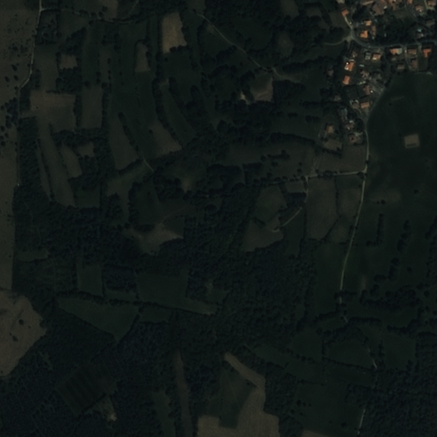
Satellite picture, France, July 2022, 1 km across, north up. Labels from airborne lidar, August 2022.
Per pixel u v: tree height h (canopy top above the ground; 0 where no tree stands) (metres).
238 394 0
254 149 0
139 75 0
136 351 19
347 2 14
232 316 7
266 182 14
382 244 17
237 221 19
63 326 15
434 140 0
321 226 0
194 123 14
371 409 14
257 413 0
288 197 12
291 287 20
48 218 8
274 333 20
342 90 6
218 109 16
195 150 10
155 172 10
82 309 0
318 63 17
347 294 16
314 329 15
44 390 15
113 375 15
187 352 13
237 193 19
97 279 0
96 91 0
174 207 0
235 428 0
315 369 0
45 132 0
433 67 8
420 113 0
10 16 0
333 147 0
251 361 14
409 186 0
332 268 0
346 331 15
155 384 8
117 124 0
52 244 14
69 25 0
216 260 12
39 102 0
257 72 14
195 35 0
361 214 0
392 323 0
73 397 0
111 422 9
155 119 0
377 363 11
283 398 11
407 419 14
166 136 0
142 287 0
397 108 0
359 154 0
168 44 0
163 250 6
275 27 19
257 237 0
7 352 0
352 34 0
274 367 13
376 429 11
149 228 7
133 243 7
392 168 0
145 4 13
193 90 16
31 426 12
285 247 19
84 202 0
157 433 15
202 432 0
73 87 10
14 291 6
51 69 0
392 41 10
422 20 15
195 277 19
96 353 12
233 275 13
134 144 13
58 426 14
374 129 0
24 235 13
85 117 0
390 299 15
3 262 0
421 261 0
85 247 9
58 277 0
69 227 15
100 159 13
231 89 0
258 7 17
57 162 0
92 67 0
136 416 22
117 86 0
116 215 14
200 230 13
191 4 0
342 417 0
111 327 0
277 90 23
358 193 0
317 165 0
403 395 23
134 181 0
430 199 0
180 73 0
